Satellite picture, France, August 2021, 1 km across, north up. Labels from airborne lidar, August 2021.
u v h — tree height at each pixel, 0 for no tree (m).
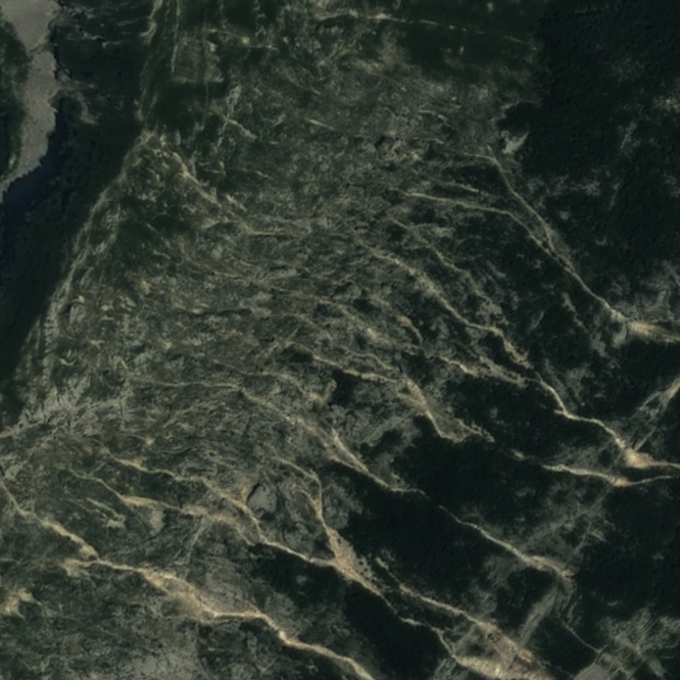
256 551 7
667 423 9
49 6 0
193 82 0
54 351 0
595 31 11
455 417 7
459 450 19
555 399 6
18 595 0
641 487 6
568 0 9
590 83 13
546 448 9
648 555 21
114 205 0
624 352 13
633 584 21
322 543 10
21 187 0
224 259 0
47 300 0
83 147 0
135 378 0
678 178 16
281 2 0
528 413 18
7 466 0
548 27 18
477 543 10
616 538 12
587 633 8
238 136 0
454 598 7
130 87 0
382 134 0
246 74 0
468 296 8
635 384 20
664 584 28
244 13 0
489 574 7
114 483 0
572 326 16
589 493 8
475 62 0
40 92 0
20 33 0
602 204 11
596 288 13
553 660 11
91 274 0
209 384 0
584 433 10
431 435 12
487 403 13
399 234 7
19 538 0
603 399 16
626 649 0
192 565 0
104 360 0
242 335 0
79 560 0
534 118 9
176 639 0
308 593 8
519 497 7
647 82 15
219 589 0
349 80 0
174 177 0
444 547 15
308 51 0
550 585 10
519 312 8
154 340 0
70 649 0
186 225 0
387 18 0
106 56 0
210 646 0
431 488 15
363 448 15
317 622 9
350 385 8
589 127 12
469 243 6
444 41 0
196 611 0
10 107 0
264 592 0
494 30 0
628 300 6
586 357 13
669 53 25
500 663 0
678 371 10
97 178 0
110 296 0
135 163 0
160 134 0
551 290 8
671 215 25
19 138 0
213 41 0
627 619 8
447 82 0
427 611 12
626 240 13
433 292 0
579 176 7
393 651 12
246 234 0
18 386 0
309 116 0
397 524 22
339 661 0
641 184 17
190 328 0
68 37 0
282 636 0
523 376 8
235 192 0
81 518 0
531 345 7
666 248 9
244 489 0
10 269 0
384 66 0
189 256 0
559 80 16
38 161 0
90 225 0
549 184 6
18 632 0
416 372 7
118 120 0
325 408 0
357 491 11
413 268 0
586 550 8
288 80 0
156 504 0
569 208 8
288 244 11
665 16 28
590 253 6
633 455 0
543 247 11
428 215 9
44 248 0
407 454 9
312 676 9
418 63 0
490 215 7
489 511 7
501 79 0
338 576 10
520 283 8
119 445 0
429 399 0
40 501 0
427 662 10
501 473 10
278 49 0
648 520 11
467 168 8
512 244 10
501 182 8
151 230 0
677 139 13
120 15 0
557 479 8
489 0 0
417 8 0
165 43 0
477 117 0
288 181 0
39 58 0
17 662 0
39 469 0
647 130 18
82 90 0
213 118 0
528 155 13
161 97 0
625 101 14
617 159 33
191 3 0
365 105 0
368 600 20
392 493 11
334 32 0
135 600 0
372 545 10
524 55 0
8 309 0
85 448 0
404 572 9
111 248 0
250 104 0
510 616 7
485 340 14
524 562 0
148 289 0
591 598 7
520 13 0
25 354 0
